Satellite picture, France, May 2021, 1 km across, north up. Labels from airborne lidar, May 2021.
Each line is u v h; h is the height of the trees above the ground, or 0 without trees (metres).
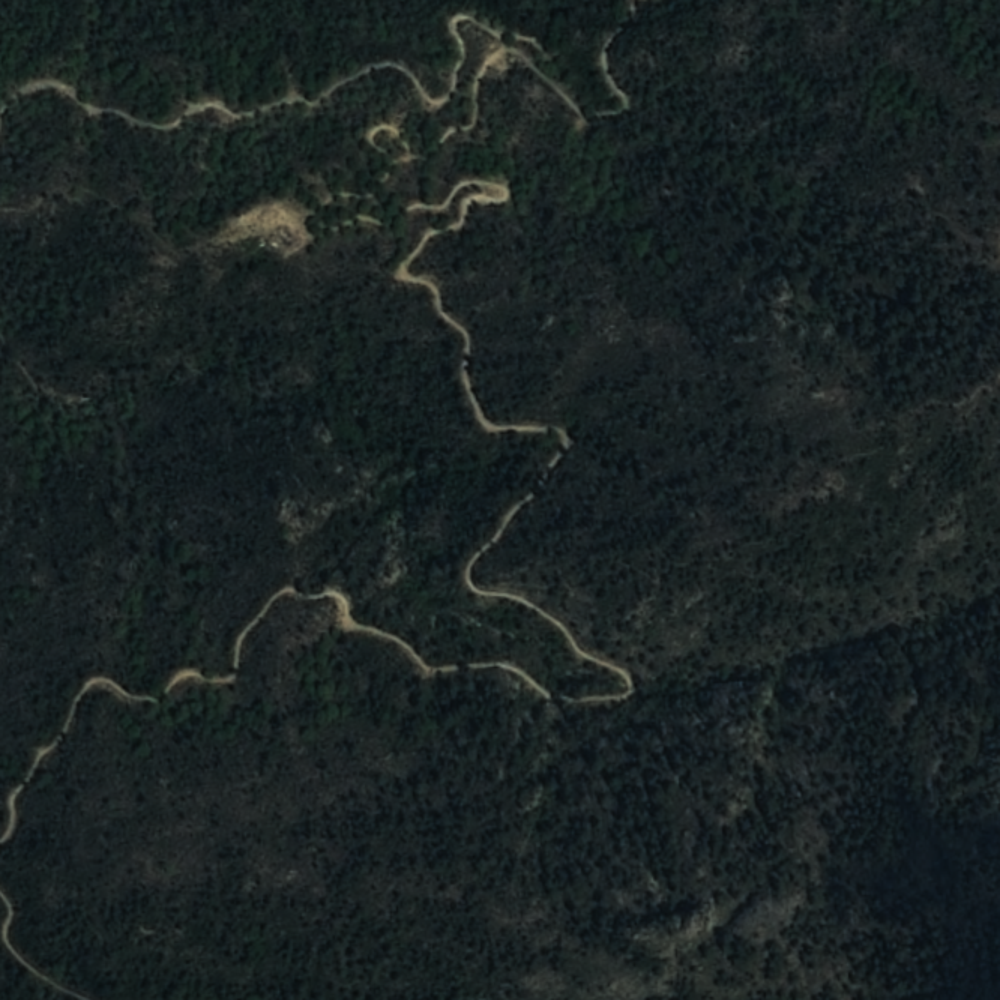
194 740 25
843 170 11
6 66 14
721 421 10
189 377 32
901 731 11
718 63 10
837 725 20
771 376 11
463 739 23
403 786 13
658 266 19
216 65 13
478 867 25
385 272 9
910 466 14
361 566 6
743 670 23
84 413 15
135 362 6
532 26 18
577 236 7
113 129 13
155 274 11
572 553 10
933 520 12
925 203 25
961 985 22
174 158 11
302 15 9
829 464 14
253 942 12
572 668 6
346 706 11
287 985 11
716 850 18
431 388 8
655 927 9
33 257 22
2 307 11
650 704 17
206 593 17
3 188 10
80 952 10
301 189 7
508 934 15
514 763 17
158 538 6
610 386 18
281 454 8
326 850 6
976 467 13
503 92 10
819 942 20
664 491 18
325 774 17
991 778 17
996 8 8
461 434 8
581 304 20
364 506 7
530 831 8
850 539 8
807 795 18
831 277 24
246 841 14
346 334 11
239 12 14
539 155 10
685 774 27
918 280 24
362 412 9
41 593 16
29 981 30
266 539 6
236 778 13
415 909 16
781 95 15
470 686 26
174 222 10
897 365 24
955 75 10
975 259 20
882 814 23
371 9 9
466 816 24
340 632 14
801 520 16
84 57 17
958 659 28
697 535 9
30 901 8
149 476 9
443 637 6
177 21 7
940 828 18
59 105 10
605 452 21
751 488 15
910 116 13
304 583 20
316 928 21
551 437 12
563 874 16
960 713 10
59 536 7
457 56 10
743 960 19
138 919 14
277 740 8
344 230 11
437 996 11
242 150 17
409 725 18
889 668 15
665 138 13
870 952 31
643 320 11
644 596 14
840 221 11
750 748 19
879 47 10
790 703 26
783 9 7
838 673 20
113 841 18
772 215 27
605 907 11
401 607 9
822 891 24
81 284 15
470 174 15
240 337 7
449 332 25
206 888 11
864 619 34
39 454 14
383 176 7
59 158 8
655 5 10
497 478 8
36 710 9
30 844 6
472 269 9
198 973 10
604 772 14
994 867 31
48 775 14
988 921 21
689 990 16
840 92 15
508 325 5
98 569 7
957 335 24
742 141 9
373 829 20
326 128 9
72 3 15
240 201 11
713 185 25
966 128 22
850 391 15
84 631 7
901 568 22
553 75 9
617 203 17
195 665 11
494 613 10
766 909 0
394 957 23
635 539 14
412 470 10
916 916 32
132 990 11
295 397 11
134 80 14
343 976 19
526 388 11
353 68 13
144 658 14
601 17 7
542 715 16
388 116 10
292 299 6
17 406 17
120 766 6
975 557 23
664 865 18
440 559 8
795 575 15
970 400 11
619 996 0
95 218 6
